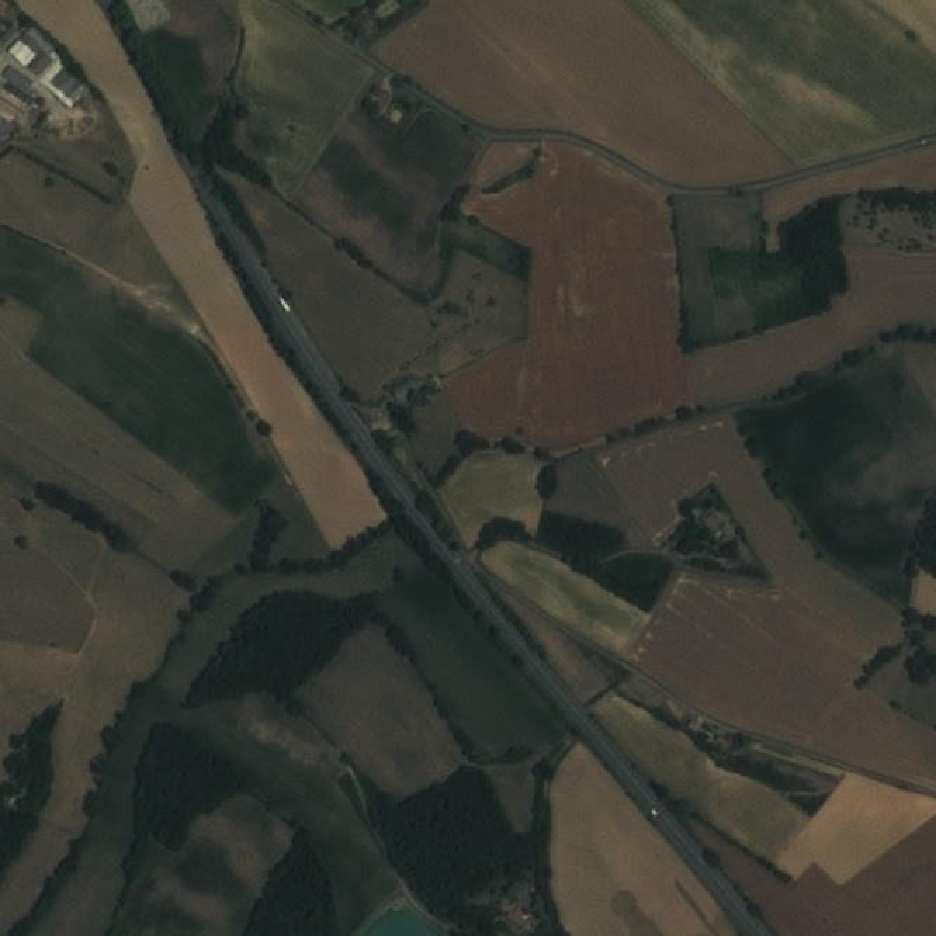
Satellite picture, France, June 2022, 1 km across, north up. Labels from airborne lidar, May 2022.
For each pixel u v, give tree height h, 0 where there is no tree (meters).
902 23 0
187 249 0
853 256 0
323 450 0
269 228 0
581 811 0
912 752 0
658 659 0
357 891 0
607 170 0
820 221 17
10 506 0
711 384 0
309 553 0
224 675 20
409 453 0
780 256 10
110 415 0
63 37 0
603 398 0
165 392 0
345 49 0
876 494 0
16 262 0
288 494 0
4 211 0
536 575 0
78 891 0
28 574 0
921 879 0
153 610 0
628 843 0
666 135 0
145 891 0
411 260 0
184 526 0
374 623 12
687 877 0
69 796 0
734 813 0
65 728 0
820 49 0
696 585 0
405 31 0
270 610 17
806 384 24
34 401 0
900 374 0
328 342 0
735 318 0
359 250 9
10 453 0
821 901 0
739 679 0
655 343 0
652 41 0
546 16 0
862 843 0
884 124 0
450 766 0
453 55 0
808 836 0
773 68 0
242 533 0
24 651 0
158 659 0
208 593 16
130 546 24
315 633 18
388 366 0
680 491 0
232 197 8
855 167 0
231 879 0
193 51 0
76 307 0
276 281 9
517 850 16
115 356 0
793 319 7
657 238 0
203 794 13
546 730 0
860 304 0
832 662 0
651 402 0
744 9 0
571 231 0
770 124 0
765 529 0
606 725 0
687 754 0
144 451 0
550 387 0
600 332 0
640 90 0
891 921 0
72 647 0
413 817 18
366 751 0
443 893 17
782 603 0
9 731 0
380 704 0
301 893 8
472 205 0
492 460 0
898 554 0
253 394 0
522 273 6
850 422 0
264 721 0
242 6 0
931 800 0
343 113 0
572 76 0
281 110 0
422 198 0
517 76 0
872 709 0
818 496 0
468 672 0
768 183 0
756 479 0
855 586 0
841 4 0
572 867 0
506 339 0
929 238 6
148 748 15
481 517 0
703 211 0
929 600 0
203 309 0
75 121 0
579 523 9
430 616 0
